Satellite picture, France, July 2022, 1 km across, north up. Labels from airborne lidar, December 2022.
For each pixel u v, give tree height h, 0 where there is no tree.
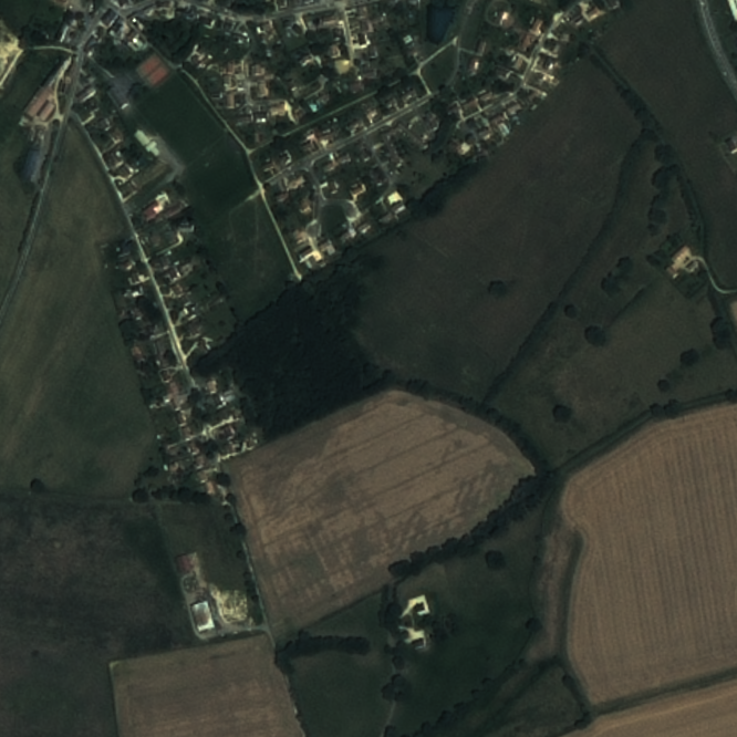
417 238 0
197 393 17
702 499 0
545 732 0
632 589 0
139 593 0
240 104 10
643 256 0
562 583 0
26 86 0
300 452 0
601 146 0
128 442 0
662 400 0
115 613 0
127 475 0
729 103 0
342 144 0
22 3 0
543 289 0
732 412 0
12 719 0
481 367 0
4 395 0
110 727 0
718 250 0
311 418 14
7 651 0
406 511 0
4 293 0
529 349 6
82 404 0
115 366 0
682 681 0
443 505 0
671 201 0
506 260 0
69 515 0
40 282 0
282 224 7
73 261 0
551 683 0
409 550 0
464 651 0
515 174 0
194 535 0
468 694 0
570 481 0
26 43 19
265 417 16
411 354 0
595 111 0
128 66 8
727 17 0
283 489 0
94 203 0
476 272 0
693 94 0
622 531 0
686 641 0
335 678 0
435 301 0
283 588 0
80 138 0
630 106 10
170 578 0
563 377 0
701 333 0
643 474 0
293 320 19
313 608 0
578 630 0
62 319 0
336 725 0
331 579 0
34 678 0
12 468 0
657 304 0
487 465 0
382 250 0
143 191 0
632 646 0
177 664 0
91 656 0
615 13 12
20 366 0
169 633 0
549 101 0
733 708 0
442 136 14
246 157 8
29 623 0
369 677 0
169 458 12
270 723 0
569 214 0
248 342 16
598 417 0
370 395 13
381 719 0
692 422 0
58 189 0
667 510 0
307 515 0
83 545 0
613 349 0
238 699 0
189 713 0
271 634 0
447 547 13
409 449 0
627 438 0
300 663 0
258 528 0
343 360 15
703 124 0
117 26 0
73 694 0
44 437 0
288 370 14
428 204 19
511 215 0
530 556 0
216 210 0
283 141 14
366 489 0
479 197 0
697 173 0
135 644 0
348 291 6
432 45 0
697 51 0
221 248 0
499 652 0
